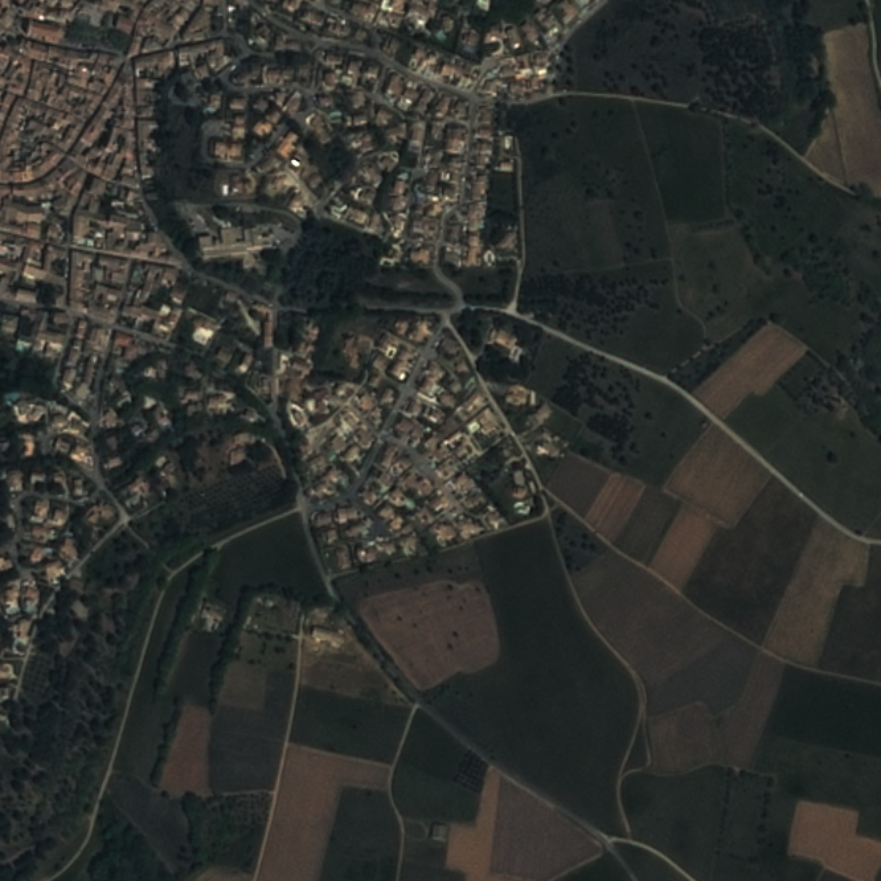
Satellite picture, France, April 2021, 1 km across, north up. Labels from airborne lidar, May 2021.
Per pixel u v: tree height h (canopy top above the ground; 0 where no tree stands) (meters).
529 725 0
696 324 0
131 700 0
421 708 0
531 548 0
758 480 0
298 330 12
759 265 10
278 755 0
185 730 0
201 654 0
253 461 13
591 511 0
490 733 0
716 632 0
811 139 7
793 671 0
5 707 9
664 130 0
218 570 0
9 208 0
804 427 0
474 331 6
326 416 7
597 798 0
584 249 0
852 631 0
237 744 0
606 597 0
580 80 0
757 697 0
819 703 0
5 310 12
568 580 0
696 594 0
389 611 0
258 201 8
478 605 0
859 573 0
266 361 13
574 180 0
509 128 6
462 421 6
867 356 8
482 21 8
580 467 0
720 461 0
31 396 8
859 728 0
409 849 0
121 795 0
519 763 0
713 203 0
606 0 0
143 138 0
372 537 0
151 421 8
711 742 0
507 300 7
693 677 0
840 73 0
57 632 14
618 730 0
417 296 8
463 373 6
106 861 15
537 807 0
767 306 0
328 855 0
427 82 0
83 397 0
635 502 0
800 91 18
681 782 0
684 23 0
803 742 0
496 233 10
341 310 16
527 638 0
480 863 0
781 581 0
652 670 0
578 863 0
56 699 9
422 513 0
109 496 11
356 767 0
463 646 0
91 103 0
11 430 9
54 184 0
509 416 6
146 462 13
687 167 0
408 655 0
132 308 0
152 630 0
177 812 0
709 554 0
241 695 0
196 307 0
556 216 0
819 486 0
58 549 6
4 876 13
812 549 0
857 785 0
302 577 0
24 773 10
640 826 0
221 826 8
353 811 0
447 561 0
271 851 0
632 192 0
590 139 0
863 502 0
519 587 0
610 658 0
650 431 0
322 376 9
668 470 0
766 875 0
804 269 10
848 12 0
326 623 0
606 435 6
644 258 0
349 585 0
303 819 0
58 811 7
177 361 9
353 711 0
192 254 14
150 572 8
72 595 12
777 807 0
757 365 0
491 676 0
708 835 0
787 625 0
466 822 0
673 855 0
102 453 5
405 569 0
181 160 0
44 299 16
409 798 0
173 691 0
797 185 0
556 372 0
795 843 0
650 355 0
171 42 0
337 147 7
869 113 0
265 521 0
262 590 7
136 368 16
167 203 10
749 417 0
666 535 0
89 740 12
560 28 0
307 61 10
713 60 7
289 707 0
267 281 6
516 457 0
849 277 7
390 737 0
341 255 13
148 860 12
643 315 0
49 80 0
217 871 0
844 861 0
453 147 0
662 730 0
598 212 0
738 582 0
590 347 0
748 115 7
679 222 0
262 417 9
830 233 0
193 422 12
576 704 0
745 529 0
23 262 0
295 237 0
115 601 9
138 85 0
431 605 0
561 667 0
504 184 0
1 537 15
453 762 0
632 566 0
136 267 9
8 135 0
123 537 7
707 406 0
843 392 8
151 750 0
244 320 8
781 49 13
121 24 0
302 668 0
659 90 9
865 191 11
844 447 0
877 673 0
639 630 0
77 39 13
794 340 0
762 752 0
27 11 0
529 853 0
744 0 14
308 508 0
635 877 0
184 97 15
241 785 0
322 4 0
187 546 12
